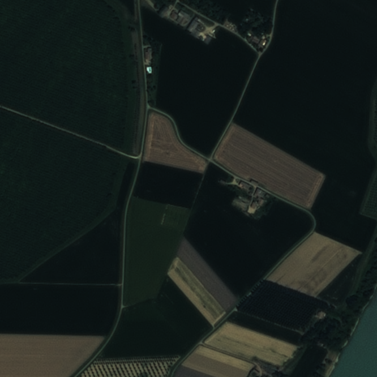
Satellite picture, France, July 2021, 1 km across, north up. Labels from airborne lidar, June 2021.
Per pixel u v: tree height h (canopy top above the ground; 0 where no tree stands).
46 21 11
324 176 0
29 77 11
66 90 9
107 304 0
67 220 12
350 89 0
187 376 0
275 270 0
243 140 0
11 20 11
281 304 23
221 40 0
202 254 0
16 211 10
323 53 0
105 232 0
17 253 11
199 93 0
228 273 0
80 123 11
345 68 0
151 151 0
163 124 0
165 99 0
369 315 0
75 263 0
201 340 0
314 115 0
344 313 6
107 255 0
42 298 0
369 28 0
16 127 12
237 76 0
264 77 0
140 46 0
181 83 0
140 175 0
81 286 0
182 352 0
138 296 0
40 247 12
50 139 11
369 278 13
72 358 0
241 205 0
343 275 0
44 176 11
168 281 0
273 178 0
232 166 0
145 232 0
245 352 0
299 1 0
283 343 0
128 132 0
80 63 10
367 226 0
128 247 0
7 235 12
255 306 16
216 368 0
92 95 11
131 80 0
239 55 0
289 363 0
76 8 11
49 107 10
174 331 0
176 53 0
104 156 10
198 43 0
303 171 0
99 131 12
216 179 0
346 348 0
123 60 9
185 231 0
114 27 12
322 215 0
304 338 17
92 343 0
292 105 0
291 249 0
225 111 0
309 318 22
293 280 0
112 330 0
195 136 0
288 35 0
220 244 0
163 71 0
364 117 0
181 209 0
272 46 0
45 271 0
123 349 0
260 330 0
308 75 0
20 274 8
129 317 0
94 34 10
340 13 0
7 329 0
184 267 0
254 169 0
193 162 0
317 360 0
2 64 11
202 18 0
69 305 0
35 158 11
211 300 0
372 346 0
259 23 11
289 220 0
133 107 0
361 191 0
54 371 0
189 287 0
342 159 0
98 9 11
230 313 0
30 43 11
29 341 0
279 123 0
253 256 0
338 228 0
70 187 10
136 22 0
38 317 0
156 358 6
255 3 0
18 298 0
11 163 11
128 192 0
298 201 0
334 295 0
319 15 0
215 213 0
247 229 0
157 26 0
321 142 0
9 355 0
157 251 0
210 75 0
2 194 11
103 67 12
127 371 7
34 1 11
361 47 0
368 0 0
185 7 8
